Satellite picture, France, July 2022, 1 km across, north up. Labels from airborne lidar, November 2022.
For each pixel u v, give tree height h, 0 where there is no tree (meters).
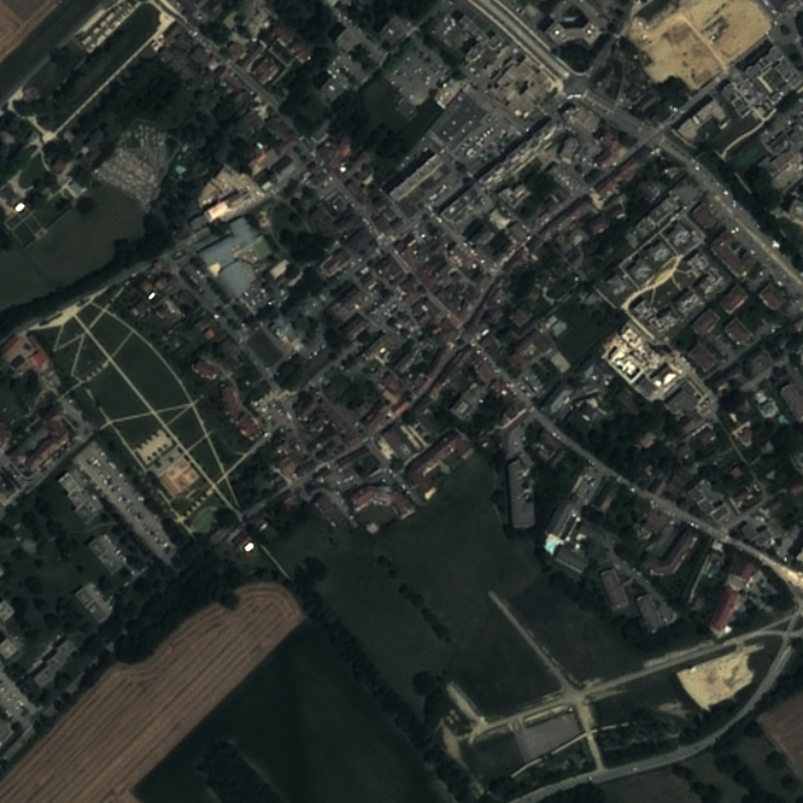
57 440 0
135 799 0
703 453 10
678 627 15
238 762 26
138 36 0
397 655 0
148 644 22
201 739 0
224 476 0
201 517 0
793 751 0
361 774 0
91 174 19
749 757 0
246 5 9
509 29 0
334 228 0
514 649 0
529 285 15
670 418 17
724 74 0
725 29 0
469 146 0
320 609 20
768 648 0
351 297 0
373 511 0
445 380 0
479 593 0
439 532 0
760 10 0
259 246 0
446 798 0
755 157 0
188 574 23
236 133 21
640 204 8
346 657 12
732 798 0
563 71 0
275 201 0
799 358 9
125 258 19
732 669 0
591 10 0
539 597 0
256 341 0
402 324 0
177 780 0
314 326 18
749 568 0
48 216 0
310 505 17
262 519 0
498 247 8
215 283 11
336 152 0
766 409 0
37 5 0
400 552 0
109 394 0
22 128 17
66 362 0
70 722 0
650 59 0
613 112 0
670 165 14
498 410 6
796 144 0
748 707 0
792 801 0
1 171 25
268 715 0
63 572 0
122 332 0
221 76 0
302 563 0
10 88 0
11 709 0
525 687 0
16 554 8
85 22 0
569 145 0
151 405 0
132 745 0
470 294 0
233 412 0
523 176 5
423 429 8
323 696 0
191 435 0
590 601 22
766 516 0
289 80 10
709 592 7
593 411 0
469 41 0
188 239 0
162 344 11
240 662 0
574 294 8
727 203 0
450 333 0
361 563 0
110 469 0
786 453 17
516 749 0
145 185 0
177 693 0
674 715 0
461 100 0
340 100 11
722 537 0
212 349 7
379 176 8
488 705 0
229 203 0
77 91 19
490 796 14
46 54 0
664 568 0
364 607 0
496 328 11
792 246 26
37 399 0
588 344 0
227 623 0
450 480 0
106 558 0
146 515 0
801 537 0
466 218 0
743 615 18
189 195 34
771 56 0
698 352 0
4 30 0
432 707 18
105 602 0
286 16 19
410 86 0
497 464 8
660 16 0
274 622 0
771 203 29
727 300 0
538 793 0
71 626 13
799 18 10
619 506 14
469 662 0
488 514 0
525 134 0
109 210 0
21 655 0
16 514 10
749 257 0
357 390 7
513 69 0
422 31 7
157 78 7
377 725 0
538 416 0
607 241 6
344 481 0
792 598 24
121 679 0
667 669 0
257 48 0
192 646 0
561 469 13
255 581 0
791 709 0
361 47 15
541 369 8
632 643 15
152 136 0
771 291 0
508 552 0
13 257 0
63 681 16
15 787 0
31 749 0
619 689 0
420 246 0
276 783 0
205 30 19
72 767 0
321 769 0
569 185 0
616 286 0
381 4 17
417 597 14
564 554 0
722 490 7
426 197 0
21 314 22
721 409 6
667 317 0
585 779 0
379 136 17
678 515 0
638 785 0
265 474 9
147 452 0
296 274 16
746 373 9
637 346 0
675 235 0
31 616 0
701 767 0
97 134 30
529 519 0
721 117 0
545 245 7
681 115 0
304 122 26
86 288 15
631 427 18
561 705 0
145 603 0
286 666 0
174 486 0
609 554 0
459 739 0
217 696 0
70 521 0
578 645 0
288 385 14
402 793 0
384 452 0
